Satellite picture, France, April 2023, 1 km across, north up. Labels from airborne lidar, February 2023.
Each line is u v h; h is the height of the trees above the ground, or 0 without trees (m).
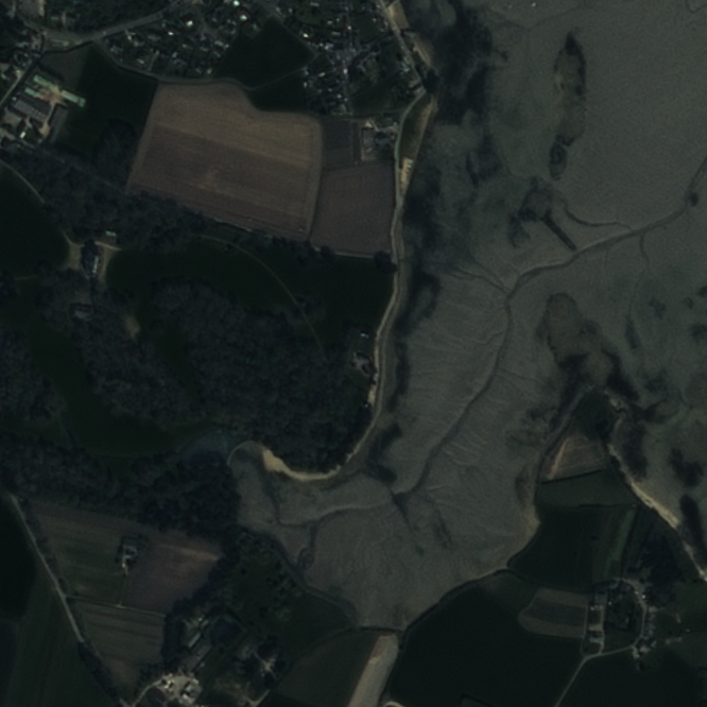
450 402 0
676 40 0
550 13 0
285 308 0
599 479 0
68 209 28
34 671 0
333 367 20
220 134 0
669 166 0
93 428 0
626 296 0
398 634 0
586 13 0
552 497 0
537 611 0
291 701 0
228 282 0
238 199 0
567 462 0
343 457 13
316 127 0
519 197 0
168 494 15
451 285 0
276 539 0
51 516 0
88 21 0
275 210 0
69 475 17
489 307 0
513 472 0
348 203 0
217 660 0
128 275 0
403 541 0
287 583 10
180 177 0
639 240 0
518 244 0
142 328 0
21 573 0
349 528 0
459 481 0
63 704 0
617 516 0
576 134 0
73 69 0
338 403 25
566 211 0
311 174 0
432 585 0
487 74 0
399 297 0
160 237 23
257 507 0
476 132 0
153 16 0
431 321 0
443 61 0
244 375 24
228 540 20
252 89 0
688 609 0
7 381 18
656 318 0
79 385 0
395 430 0
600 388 0
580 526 0
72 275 13
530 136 0
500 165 0
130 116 0
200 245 0
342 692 0
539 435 0
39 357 0
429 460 0
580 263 0
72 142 0
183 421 10
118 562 7
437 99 0
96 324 19
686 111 0
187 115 0
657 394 0
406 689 0
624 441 0
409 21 0
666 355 0
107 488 25
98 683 17
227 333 24
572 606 0
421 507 0
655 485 0
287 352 18
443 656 0
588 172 0
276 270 0
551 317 0
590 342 0
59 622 0
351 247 0
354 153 0
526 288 0
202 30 0
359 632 0
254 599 0
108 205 27
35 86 0
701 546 0
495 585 0
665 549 17
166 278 0
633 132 0
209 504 21
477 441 0
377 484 0
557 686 0
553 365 0
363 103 0
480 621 0
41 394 20
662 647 0
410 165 0
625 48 0
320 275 0
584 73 0
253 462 0
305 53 0
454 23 0
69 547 0
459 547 0
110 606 0
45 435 0
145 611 0
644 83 0
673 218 0
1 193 0
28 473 19
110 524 0
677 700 0
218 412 25
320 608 0
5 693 0
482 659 0
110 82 0
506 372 0
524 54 0
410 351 0
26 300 0
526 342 0
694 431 0
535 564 0
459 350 0
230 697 0
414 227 0
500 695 0
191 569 0
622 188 0
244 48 0
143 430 0
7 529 0
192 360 16
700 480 0
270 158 0
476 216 0
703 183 0
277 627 0
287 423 19
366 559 0
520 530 0
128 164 6
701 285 0
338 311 0
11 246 0
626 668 0
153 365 25
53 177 29
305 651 0
